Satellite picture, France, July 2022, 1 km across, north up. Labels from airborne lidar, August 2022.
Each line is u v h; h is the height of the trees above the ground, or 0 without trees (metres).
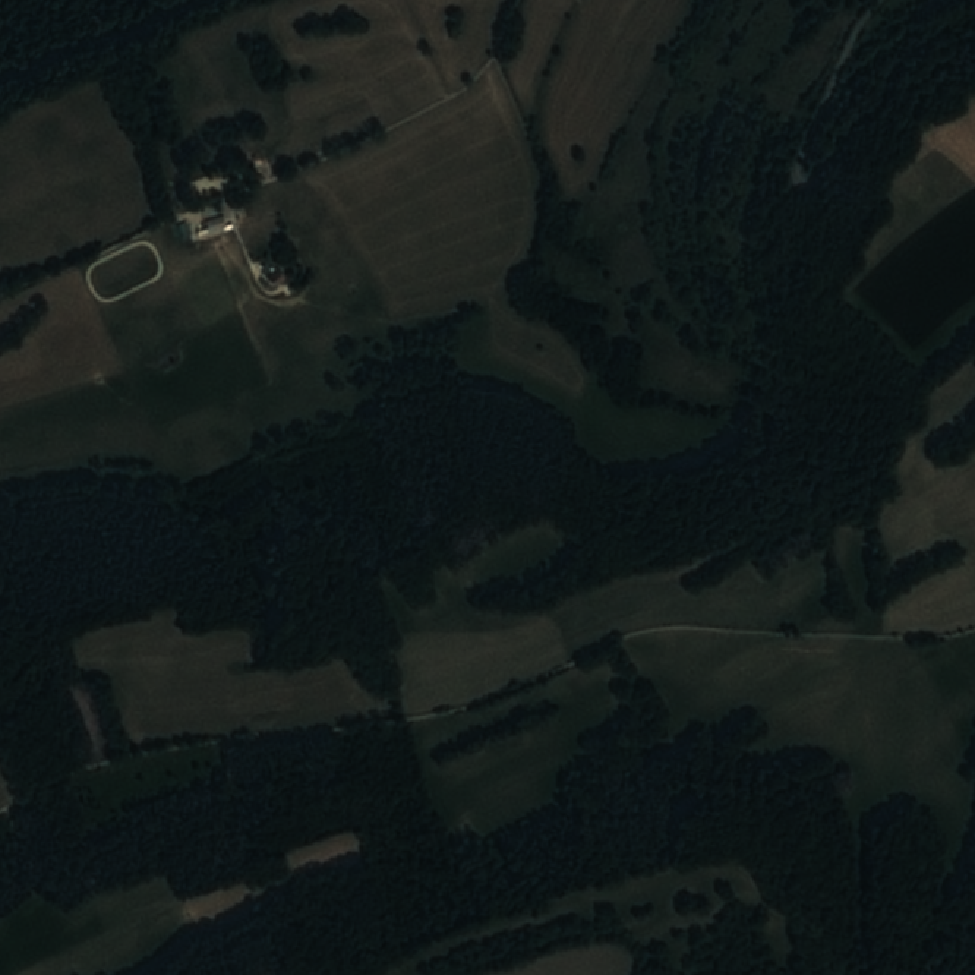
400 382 22
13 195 0
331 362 0
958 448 25
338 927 26
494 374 0
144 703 0
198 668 0
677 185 10
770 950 15
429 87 0
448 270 0
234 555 10
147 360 0
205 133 16
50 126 0
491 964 11
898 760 0
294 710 0
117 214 0
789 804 34
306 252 0
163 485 23
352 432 6
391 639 21
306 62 0
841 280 14
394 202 0
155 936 0
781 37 0
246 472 11
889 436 26
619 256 0
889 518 0
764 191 15
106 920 0
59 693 21
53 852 21
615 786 33
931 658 0
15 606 22
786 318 24
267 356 0
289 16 0
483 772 0
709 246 12
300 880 20
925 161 0
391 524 11
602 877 15
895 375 24
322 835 6
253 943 29
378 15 0
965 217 0
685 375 0
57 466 0
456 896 10
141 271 0
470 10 0
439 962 10
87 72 19
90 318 0
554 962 0
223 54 0
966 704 0
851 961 30
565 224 17
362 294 0
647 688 20
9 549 27
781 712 0
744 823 29
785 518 14
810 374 25
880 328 8
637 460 0
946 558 20
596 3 0
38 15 28
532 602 20
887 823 31
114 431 0
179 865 20
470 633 0
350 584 19
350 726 19
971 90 12
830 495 35
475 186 0
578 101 0
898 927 23
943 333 0
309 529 36
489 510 12
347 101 0
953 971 21
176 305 0
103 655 0
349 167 0
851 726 0
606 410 0
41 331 0
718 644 0
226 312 0
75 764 18
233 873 21
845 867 33
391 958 21
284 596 36
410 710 0
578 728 0
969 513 0
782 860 22
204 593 32
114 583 28
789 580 0
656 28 0
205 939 24
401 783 15
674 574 0
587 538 24
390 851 13
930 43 26
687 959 13
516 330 0
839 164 26
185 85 0
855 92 24
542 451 28
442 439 24
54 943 0
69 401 0
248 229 0
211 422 0
